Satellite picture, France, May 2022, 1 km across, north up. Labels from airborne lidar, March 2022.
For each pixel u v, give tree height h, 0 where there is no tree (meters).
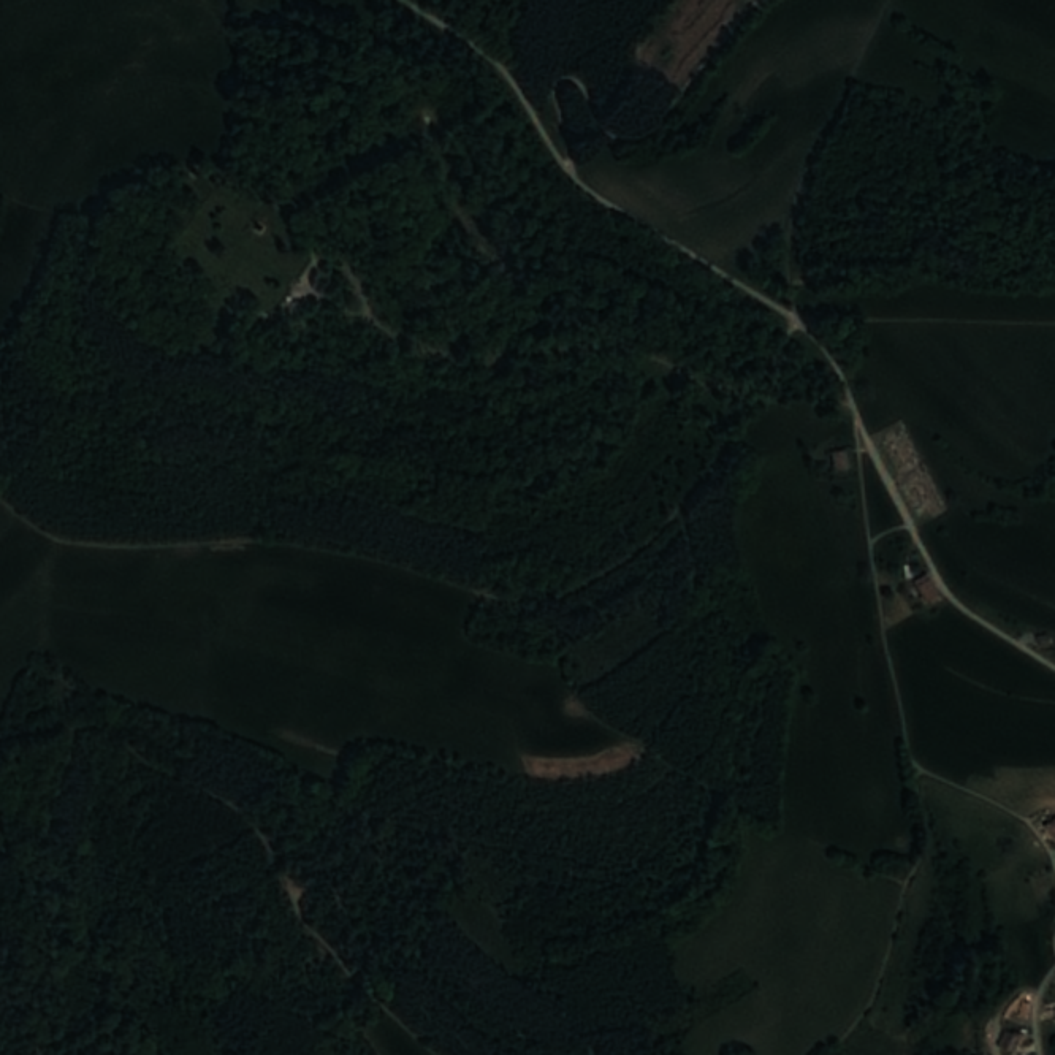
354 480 17
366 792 11
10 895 14
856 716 0
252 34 31
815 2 0
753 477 26
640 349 24
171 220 26
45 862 9
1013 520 14
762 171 0
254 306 20
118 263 28
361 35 31
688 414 25
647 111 30
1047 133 0
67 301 18
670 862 11
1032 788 0
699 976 0
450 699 0
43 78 0
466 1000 21
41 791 23
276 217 0
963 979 37
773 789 10
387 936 12
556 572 18
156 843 18
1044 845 0
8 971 21
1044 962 0
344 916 11
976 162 19
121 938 30
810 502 0
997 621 0
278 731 0
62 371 17
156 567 0
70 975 12
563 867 11
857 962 0
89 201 0
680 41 0
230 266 0
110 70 0
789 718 8
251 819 23
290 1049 16
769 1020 0
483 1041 18
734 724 10
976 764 0
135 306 26
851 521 0
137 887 12
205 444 21
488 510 24
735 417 24
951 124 12
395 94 29
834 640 0
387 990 21
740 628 6
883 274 23
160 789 11
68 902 33
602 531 7
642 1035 21
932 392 0
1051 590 0
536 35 27
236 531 11
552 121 0
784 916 0
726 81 0
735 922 0
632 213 0
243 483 9
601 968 13
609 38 19
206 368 30
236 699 0
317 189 0
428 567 16
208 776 16
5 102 0
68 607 0
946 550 0
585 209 14
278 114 32
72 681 11
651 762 7
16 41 0
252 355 22
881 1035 0
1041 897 0
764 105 0
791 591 0
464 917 0
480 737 0
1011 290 11
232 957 29
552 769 0
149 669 0
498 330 29
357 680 0
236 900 11
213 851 8
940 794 0
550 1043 24
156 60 0
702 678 8
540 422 14
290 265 0
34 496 11
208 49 0
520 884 6
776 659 17
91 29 0
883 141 14
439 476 24
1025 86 0
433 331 24
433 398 19
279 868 20
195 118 0
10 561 0
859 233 9
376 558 12
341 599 0
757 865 0
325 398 21
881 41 0
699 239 0
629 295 30
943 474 0
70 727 11
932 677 0
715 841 28
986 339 0
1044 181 18
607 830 7
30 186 0
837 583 0
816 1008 0
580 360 26
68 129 0
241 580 0
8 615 0
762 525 0
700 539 17
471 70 27
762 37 0
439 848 18
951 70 16
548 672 0
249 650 0
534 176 27
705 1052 0
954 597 0
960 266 17
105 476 13
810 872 0
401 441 19
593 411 10
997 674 0
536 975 8
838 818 0
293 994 9
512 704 0
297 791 18
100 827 14
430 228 28
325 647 0
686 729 13
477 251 36
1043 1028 0
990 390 0
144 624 0
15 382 19
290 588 0
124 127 0
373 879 12
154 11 0
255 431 20
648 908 10
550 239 26
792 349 25
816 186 13
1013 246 9
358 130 28
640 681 9
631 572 8
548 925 8
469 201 36
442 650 0
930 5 0
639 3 21
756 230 0
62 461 8
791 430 0
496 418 12
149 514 10
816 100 0
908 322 0
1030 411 0
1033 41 0
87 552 0
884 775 0
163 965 17
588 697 10
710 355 28
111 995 28
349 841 11
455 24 31
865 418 0
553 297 11
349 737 0
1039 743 0
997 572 0
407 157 31
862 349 24
